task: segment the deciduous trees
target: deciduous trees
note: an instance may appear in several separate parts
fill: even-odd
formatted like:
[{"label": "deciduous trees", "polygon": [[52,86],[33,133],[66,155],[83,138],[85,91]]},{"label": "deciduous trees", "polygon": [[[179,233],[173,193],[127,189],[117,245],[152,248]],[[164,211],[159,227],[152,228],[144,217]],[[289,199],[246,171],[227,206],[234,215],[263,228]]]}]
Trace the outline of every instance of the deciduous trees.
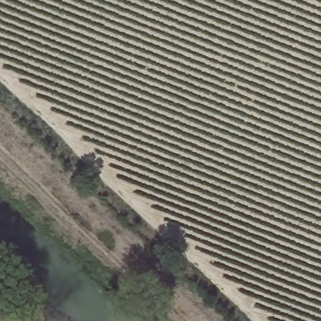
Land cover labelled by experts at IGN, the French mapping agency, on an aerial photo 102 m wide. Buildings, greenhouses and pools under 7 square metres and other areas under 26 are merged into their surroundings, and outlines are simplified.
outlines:
[{"label": "deciduous trees", "polygon": [[107,298],[110,321],[172,321],[168,313],[174,307],[174,287],[186,283],[189,291],[198,293],[204,306],[213,308],[223,316],[224,321],[251,321],[246,313],[224,296],[194,263],[187,260],[187,250],[178,239],[167,239],[158,243],[153,238],[145,236],[139,226],[143,219],[102,181],[100,176],[90,171],[82,157],[78,157],[45,120],[36,115],[34,119],[21,117],[16,124],[26,129],[31,138],[38,140],[45,152],[51,155],[51,159],[59,159],[65,172],[73,174],[70,178],[70,187],[75,189],[79,197],[98,197],[123,227],[128,228],[144,242],[144,247],[132,245],[128,255],[123,256],[123,261],[132,273],[122,276],[117,268],[104,266],[89,251],[88,246],[84,245],[82,239],[71,237],[70,231],[61,228],[54,218],[46,214],[38,199],[31,194],[23,201],[16,199],[6,189],[5,183],[0,181],[0,321],[58,321],[61,315],[55,307],[51,308],[46,303],[48,295],[44,292],[43,285],[40,285],[41,282],[48,282],[48,268],[41,263],[41,252],[38,251],[35,239],[26,237],[33,229]]}]

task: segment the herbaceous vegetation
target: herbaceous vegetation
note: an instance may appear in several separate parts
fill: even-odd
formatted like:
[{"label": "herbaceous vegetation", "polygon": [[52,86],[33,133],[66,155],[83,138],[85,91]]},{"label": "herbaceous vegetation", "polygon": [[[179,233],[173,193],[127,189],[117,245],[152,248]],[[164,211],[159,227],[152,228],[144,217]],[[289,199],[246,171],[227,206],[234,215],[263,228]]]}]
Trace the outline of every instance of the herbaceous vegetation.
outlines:
[{"label": "herbaceous vegetation", "polygon": [[82,157],[90,171],[100,176],[103,168],[102,159],[95,158],[92,153],[84,154]]},{"label": "herbaceous vegetation", "polygon": [[89,251],[104,266],[117,268],[122,276],[132,273],[123,261],[123,256],[128,255],[132,245],[144,247],[144,242],[128,228],[123,227],[98,197],[79,197],[75,189],[70,187],[70,178],[73,174],[65,172],[59,159],[51,159],[51,155],[45,152],[38,140],[31,138],[26,129],[16,124],[21,117],[34,119],[36,115],[0,83],[0,181],[5,183],[6,189],[16,199],[23,201],[31,194],[38,199],[46,214],[54,218],[61,228],[70,231],[71,237],[82,239],[84,245],[88,246]]},{"label": "herbaceous vegetation", "polygon": [[224,321],[223,316],[213,308],[204,306],[198,293],[189,291],[186,283],[174,287],[174,307],[168,313],[172,321]]},{"label": "herbaceous vegetation", "polygon": [[187,250],[186,238],[196,242],[204,243],[206,239],[184,233],[181,231],[182,223],[166,218],[164,222],[167,224],[162,224],[158,229],[150,227],[143,219],[139,226],[145,236],[153,238],[158,243],[167,239],[178,239]]}]

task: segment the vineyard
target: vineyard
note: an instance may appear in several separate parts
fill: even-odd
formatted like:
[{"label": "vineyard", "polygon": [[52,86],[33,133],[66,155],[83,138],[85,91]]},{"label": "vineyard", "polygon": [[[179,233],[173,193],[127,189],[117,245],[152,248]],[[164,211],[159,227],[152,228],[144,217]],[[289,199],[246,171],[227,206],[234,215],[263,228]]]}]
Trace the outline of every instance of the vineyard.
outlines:
[{"label": "vineyard", "polygon": [[20,83],[36,89],[36,98],[51,103],[51,112],[69,117],[66,125],[83,130],[83,140],[97,144],[92,153],[95,158],[102,159],[112,158],[109,166],[118,169],[117,178],[139,186],[134,193],[157,201],[152,208],[168,213],[166,218],[182,223],[181,231],[184,233],[206,239],[204,243],[196,242],[197,251],[217,257],[211,265],[224,270],[223,278],[239,283],[238,291],[243,295],[257,298],[255,307],[272,312],[268,321],[321,321],[321,0],[0,0],[0,58],[5,59],[4,69],[19,74]]}]

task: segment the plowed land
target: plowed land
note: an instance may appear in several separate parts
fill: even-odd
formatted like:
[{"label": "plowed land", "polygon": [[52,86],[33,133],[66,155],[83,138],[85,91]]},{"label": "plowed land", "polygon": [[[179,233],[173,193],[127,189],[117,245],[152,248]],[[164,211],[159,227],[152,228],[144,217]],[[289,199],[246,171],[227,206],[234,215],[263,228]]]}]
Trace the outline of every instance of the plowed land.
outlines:
[{"label": "plowed land", "polygon": [[224,296],[246,313],[251,321],[268,321],[272,312],[255,307],[257,298],[243,295],[238,291],[239,283],[223,278],[224,270],[211,265],[217,257],[197,251],[196,242],[186,238],[187,250],[187,260],[194,263]]},{"label": "plowed land", "polygon": [[118,169],[109,166],[112,158],[102,159],[103,168],[100,176],[102,181],[143,219],[150,227],[158,229],[162,224],[167,224],[164,222],[166,218],[168,213],[152,208],[157,201],[134,193],[139,186],[117,178]]},{"label": "plowed land", "polygon": [[83,140],[83,130],[66,125],[69,117],[51,112],[51,103],[36,98],[36,89],[20,83],[19,74],[4,69],[5,59],[0,58],[0,83],[36,115],[45,120],[78,157],[82,157],[84,154],[92,153],[97,144]]}]

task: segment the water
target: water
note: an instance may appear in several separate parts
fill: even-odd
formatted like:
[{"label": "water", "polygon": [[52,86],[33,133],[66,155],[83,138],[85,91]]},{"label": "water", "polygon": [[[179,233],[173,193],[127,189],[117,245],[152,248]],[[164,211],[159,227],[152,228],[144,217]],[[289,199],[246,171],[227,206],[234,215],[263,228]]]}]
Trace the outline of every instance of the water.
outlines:
[{"label": "water", "polygon": [[33,229],[26,237],[35,239],[38,251],[41,252],[41,263],[48,268],[48,282],[41,282],[40,285],[43,285],[44,292],[48,295],[46,303],[51,308],[55,307],[61,315],[58,321],[110,321],[107,298]]}]

